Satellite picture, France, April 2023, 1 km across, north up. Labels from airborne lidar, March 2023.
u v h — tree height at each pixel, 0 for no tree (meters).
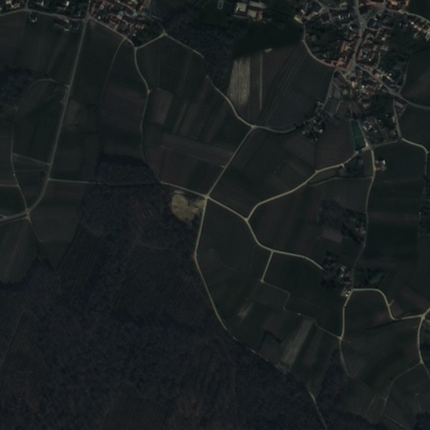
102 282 22
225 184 0
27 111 0
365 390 0
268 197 0
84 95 0
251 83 0
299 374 0
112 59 0
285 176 0
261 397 16
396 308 0
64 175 0
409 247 0
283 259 0
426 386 0
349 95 0
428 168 0
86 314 28
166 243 19
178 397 23
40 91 0
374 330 0
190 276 21
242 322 0
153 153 0
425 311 0
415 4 0
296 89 0
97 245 0
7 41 0
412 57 0
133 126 0
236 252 0
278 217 0
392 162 0
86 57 0
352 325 0
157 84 0
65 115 0
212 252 0
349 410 0
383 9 0
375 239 0
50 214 0
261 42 0
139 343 20
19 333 0
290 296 0
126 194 17
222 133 0
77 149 0
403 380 0
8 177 0
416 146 0
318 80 0
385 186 0
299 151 0
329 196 0
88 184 0
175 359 20
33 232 0
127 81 0
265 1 19
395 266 0
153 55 0
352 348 0
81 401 25
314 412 19
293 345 0
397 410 0
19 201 0
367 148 0
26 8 0
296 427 21
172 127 0
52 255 0
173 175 0
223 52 16
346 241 0
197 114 0
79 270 0
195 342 23
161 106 0
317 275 0
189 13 18
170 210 19
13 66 0
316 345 0
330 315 0
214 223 0
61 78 0
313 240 0
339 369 8
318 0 0
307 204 0
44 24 0
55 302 24
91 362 25
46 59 0
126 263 20
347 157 0
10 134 0
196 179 0
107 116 0
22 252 0
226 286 0
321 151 0
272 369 16
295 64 0
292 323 0
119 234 24
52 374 27
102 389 26
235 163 0
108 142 0
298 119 0
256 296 0
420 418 11
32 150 0
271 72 0
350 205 0
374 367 0
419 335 0
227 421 18
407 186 0
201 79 0
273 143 0
